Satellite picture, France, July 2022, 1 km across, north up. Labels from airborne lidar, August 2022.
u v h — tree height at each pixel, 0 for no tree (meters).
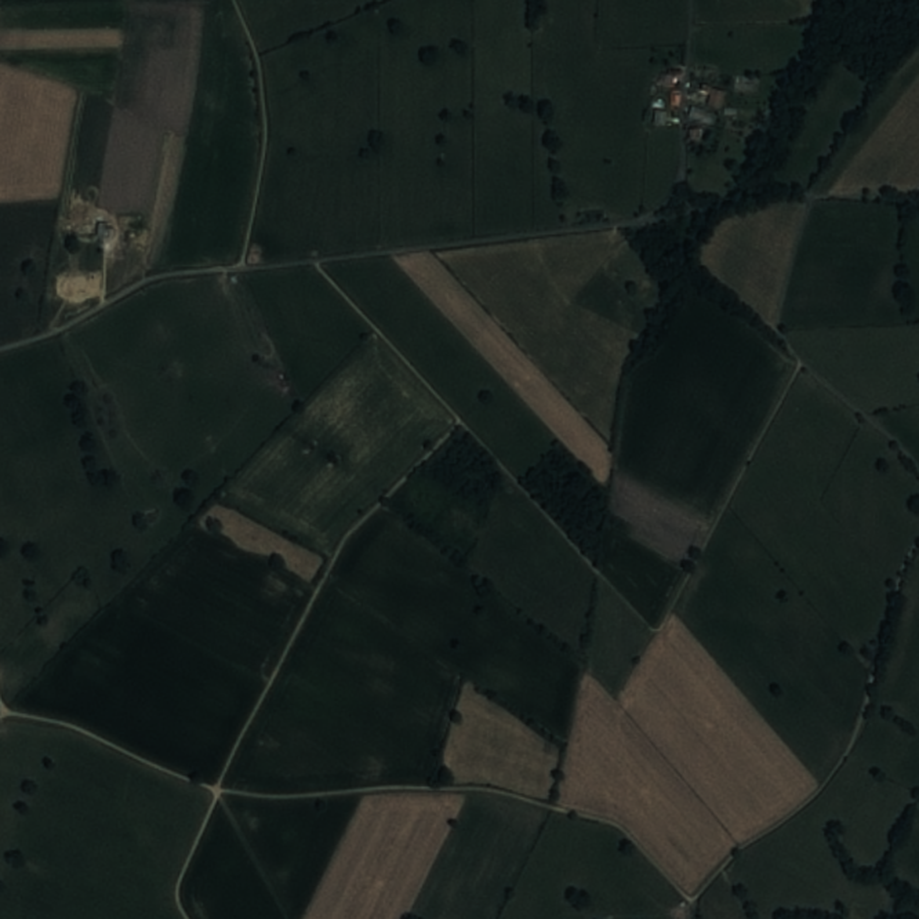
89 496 0
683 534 0
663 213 12
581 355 0
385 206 0
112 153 0
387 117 0
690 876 0
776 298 0
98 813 0
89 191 0
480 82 0
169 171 0
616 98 0
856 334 0
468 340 0
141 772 0
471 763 0
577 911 15
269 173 0
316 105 0
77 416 16
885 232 0
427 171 0
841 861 11
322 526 0
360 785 0
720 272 0
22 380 0
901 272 15
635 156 0
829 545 0
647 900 0
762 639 0
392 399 0
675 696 0
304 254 0
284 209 0
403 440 0
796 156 0
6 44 0
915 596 0
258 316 0
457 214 0
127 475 0
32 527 0
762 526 0
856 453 0
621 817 0
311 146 0
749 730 0
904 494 0
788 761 0
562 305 0
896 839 17
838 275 0
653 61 8
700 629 0
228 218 0
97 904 0
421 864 0
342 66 0
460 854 0
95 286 0
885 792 0
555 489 10
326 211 0
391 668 0
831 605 0
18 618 0
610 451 7
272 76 0
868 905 0
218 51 0
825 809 0
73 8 0
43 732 0
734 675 0
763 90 0
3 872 0
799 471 0
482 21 0
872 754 0
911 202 15
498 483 20
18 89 0
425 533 9
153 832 0
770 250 0
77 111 0
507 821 0
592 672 0
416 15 0
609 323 0
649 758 0
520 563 0
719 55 0
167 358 0
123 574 11
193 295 0
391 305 0
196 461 0
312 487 0
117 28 0
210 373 0
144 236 0
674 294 19
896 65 18
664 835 0
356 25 0
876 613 0
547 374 0
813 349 0
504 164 0
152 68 0
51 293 0
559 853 0
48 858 0
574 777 0
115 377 0
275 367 0
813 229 0
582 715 0
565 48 0
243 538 0
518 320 0
